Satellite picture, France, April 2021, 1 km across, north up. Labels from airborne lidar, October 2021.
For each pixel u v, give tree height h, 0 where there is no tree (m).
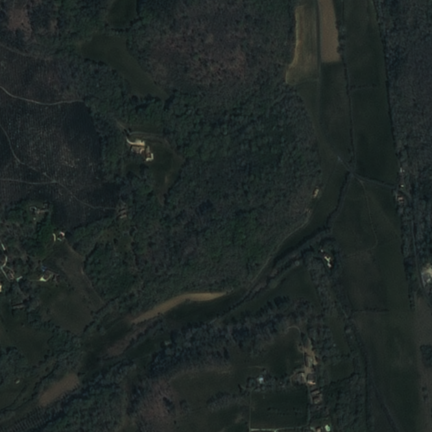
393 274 0
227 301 0
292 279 0
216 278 21
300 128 18
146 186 18
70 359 18
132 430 0
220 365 19
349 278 0
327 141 0
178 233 9
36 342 0
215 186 11
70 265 0
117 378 18
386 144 0
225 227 20
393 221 0
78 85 17
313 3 0
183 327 0
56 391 0
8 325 0
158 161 0
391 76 16
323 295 13
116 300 11
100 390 20
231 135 13
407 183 6
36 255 13
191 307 0
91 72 21
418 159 9
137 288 13
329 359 15
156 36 23
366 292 0
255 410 0
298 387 7
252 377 0
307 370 0
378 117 0
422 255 11
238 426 0
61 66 18
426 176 10
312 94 0
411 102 15
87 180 0
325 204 0
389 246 0
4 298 16
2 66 0
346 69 10
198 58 17
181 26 24
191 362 24
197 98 15
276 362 0
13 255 16
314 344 22
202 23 18
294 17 13
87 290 0
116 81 20
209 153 27
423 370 0
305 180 21
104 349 0
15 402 7
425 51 12
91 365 0
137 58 6
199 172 17
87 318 0
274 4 20
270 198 15
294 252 20
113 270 17
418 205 19
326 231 17
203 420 0
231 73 10
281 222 19
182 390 0
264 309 0
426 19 19
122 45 0
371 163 0
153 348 0
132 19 0
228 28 19
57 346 6
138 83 0
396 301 0
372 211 0
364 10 0
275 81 17
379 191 0
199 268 18
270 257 16
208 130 35
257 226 21
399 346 0
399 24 22
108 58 0
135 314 22
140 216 20
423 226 15
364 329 0
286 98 7
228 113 19
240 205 11
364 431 19
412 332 0
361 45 0
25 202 12
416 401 0
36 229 12
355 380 19
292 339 0
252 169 16
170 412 11
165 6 29
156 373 20
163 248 14
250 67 18
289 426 0
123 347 0
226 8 9
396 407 0
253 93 14
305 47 0
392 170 0
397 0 14
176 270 22
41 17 28
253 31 17
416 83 12
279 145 11
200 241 26
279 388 0
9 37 15
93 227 14
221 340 20
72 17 22
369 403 14
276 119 8
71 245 11
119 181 21
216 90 18
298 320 21
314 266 15
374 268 0
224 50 7
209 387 0
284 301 0
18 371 24
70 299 0
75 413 12
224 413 0
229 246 18
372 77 0
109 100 15
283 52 14
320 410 7
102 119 24
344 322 7
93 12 26
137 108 22
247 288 0
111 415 23
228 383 0
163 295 19
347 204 0
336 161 0
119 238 7
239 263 21
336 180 0
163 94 0
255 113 21
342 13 0
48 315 9
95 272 10
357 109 0
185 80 7
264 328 20
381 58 0
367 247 0
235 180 10
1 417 19
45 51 19
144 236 24
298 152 17
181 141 27
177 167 0
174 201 21
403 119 22
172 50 7
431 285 9
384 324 0
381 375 0
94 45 0
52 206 14
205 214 29
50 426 24
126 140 11
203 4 17
